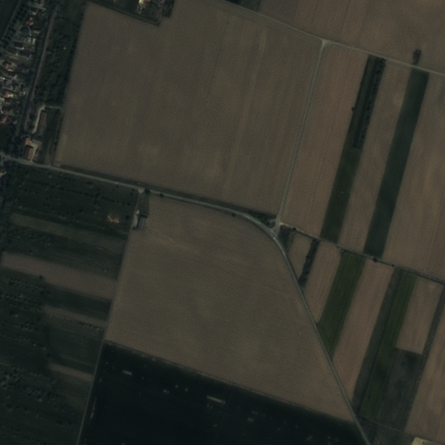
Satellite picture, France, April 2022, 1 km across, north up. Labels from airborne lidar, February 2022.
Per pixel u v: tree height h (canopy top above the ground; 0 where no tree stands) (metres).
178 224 0
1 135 0
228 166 0
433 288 0
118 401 0
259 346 0
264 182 0
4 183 18
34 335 0
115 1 0
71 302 0
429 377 0
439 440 0
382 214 0
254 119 0
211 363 0
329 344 0
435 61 0
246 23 0
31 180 0
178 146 0
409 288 0
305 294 0
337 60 0
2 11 0
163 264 0
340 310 0
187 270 0
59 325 0
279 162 0
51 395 6
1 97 0
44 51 6
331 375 0
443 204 0
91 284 0
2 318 0
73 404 0
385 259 0
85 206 0
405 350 0
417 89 0
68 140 0
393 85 0
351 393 0
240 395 0
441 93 0
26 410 7
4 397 0
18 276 0
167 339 0
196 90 0
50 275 0
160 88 0
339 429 0
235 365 0
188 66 0
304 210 0
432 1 0
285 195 0
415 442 0
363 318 0
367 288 0
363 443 0
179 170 0
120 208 0
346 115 0
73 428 0
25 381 0
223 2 0
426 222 0
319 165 0
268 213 0
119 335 0
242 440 0
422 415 0
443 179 0
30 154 0
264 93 0
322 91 0
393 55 0
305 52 0
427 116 0
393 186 0
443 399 0
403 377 0
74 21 0
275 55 0
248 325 0
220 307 0
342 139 0
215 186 0
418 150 0
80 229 0
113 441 0
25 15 9
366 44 0
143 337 0
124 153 0
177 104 0
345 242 0
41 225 0
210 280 0
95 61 0
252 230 0
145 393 0
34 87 9
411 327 0
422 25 0
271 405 0
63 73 0
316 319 0
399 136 0
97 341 0
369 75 0
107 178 0
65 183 0
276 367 0
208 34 0
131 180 0
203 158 0
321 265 0
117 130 0
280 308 0
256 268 0
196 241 0
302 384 0
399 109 0
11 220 0
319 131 0
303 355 0
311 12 0
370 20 0
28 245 0
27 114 0
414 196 0
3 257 0
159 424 0
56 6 18
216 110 0
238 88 0
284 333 0
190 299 0
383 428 0
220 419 0
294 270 0
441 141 0
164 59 0
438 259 0
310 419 0
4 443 0
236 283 0
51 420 0
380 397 0
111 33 0
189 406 0
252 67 0
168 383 0
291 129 0
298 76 0
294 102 0
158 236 0
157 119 0
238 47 0
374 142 0
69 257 0
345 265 0
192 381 0
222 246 0
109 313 0
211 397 0
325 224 0
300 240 0
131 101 0
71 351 0
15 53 0
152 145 0
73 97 0
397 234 0
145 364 0
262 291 0
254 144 0
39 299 0
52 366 0
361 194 0
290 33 0
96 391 0
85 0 0
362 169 0
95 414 0
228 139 0
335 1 0
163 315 0
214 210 0
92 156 0
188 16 0
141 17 0
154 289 0
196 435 0
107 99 0
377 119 0
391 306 0
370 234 0
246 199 0
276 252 0
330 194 0
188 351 0
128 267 0
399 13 0
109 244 0
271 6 0
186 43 0
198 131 0
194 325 0
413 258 0
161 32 0
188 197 0
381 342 0
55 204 0
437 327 0
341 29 0
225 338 0
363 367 0
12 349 0
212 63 0
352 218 0
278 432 0
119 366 0
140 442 0
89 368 0
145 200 0
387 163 0
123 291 0
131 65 0
